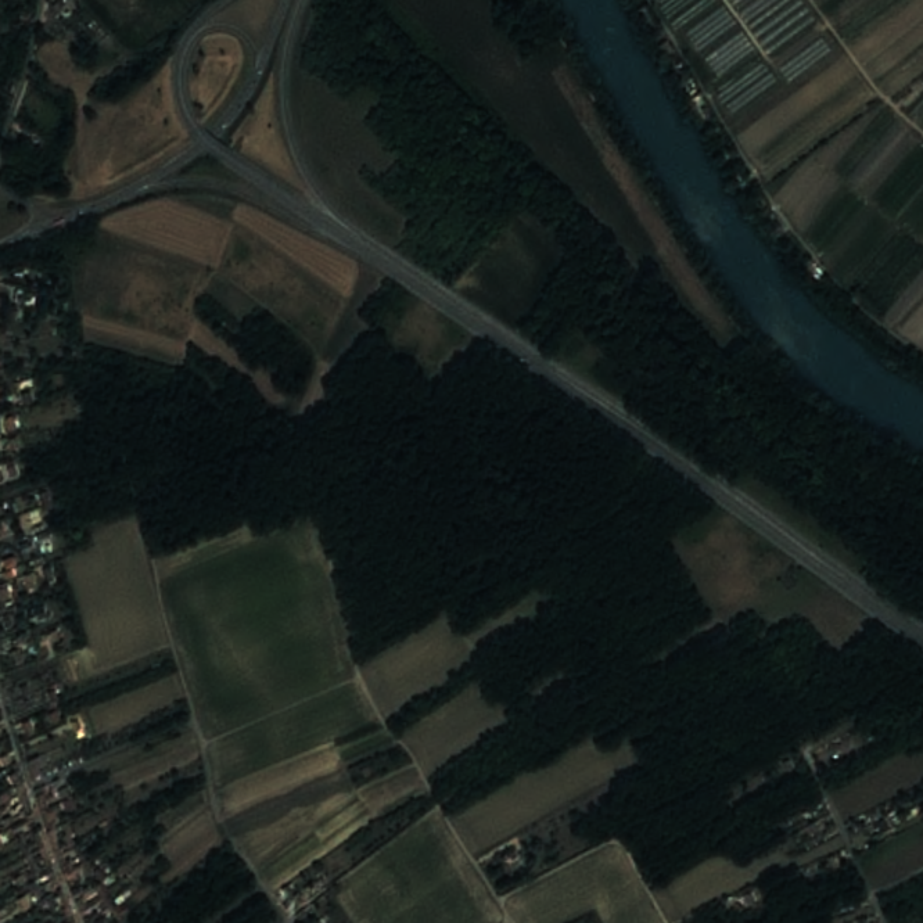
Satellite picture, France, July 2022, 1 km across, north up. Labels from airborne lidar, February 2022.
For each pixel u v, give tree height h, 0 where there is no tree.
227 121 0
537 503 21
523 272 0
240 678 0
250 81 0
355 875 0
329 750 0
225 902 11
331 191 0
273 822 0
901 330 0
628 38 0
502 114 0
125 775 0
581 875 0
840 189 0
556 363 0
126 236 0
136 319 0
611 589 17
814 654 13
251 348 20
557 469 19
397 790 0
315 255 0
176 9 0
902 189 0
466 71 0
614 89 0
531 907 0
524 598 9
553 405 19
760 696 20
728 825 13
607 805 17
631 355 16
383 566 19
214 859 14
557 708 17
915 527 21
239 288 0
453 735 0
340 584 13
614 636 19
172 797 13
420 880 0
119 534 0
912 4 0
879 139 0
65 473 5
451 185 17
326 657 0
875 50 0
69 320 7
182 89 0
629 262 30
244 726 0
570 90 0
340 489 15
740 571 0
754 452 25
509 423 14
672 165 0
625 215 0
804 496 16
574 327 6
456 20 0
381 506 22
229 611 0
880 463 21
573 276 18
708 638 15
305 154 0
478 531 20
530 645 19
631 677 17
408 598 22
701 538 0
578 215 20
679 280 0
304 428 18
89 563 0
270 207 0
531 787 0
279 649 0
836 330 0
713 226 0
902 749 11
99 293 0
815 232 0
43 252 13
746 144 0
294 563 0
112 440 14
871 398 0
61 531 17
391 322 0
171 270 0
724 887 0
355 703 0
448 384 19
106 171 0
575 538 16
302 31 0
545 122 0
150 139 0
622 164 0
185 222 0
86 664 0
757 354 21
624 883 0
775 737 18
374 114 9
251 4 0
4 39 9
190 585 0
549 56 0
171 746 0
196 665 0
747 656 13
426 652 0
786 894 20
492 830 0
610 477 19
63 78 0
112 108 0
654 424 16
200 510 19
